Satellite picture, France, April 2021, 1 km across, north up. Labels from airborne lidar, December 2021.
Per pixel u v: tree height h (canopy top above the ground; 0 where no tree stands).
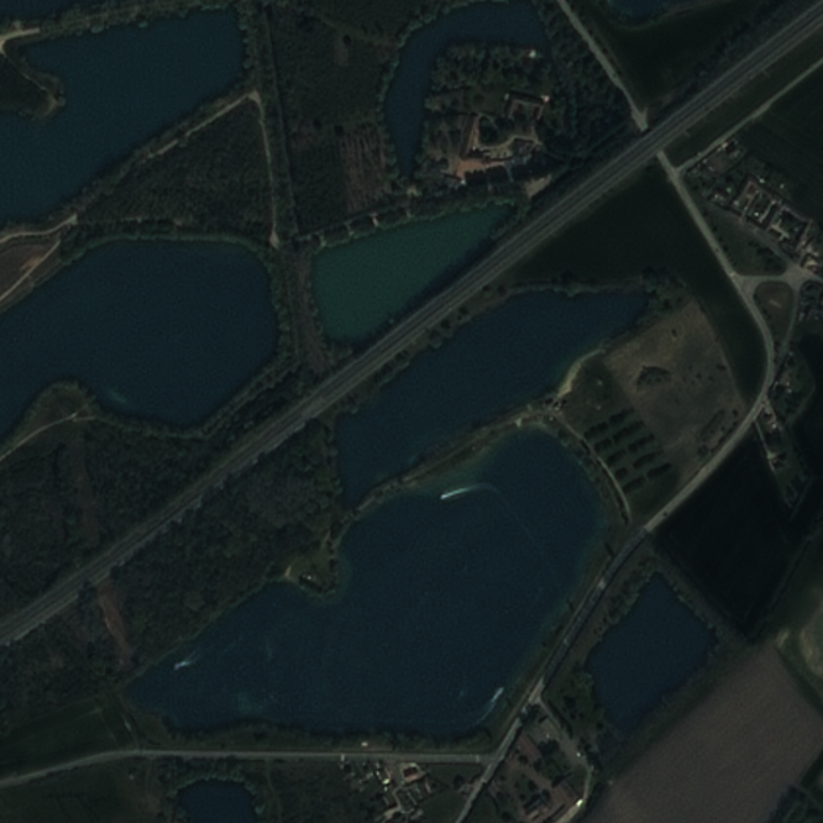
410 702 0
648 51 0
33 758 0
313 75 7
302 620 0
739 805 0
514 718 0
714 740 0
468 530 0
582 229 0
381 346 0
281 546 19
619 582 26
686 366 0
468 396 0
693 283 0
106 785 0
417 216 14
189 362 0
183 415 0
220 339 0
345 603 0
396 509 0
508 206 0
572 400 0
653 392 0
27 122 0
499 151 0
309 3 12
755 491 0
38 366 0
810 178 0
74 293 0
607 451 7
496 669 0
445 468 0
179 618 14
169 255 0
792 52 0
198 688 0
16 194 0
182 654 0
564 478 0
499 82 0
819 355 0
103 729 0
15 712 20
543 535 0
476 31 0
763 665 0
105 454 11
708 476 0
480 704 0
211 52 0
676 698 25
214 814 0
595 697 0
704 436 0
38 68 0
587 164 9
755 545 0
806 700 0
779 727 0
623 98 21
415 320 0
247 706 0
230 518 27
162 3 7
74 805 0
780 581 0
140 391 0
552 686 22
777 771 0
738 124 0
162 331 0
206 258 0
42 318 0
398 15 7
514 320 0
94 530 0
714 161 0
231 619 0
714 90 0
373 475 0
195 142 7
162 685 0
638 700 0
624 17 10
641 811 0
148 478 20
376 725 0
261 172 7
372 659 0
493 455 0
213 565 13
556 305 0
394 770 0
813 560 0
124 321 0
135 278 0
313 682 0
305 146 10
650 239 0
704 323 0
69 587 0
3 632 0
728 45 17
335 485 13
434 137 18
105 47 0
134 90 0
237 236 11
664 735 0
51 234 0
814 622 0
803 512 0
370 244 0
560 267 0
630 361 0
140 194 11
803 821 15
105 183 15
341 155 7
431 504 0
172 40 0
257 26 17
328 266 0
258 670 0
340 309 0
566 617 0
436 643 0
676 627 0
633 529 0
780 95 0
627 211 0
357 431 0
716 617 25
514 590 0
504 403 0
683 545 0
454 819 0
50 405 0
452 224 0
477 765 0
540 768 15
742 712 0
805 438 0
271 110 9
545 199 8
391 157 14
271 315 0
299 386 19
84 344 0
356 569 0
